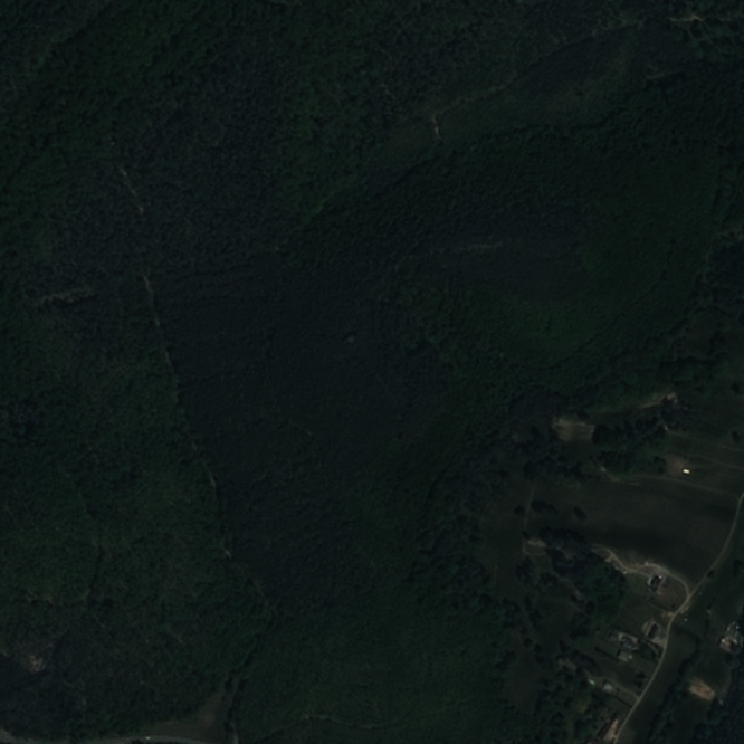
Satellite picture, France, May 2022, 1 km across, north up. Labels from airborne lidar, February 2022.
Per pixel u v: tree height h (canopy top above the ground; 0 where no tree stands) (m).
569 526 0
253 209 23
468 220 23
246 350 17
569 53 16
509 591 0
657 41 20
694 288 15
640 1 16
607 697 10
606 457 14
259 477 20
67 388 0
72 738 29
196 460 31
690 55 18
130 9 28
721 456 0
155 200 27
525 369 23
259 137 22
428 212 26
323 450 18
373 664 0
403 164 16
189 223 28
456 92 9
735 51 31
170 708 21
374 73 29
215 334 20
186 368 22
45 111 31
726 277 15
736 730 24
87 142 29
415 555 19
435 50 30
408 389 31
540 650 18
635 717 0
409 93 30
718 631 0
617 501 0
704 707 0
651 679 0
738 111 29
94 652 20
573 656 24
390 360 33
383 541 0
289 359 18
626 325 0
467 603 22
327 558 19
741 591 0
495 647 13
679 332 20
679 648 0
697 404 0
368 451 18
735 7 29
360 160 29
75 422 0
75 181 32
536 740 17
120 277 27
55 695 16
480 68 10
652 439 19
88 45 32
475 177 22
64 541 0
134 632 19
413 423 26
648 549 0
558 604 0
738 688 18
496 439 28
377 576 17
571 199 27
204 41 29
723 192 21
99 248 33
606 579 26
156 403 0
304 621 0
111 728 26
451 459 26
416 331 34
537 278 20
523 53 12
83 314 26
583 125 13
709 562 0
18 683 12
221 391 19
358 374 19
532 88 17
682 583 0
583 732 20
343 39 29
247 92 28
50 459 26
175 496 0
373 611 0
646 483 0
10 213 32
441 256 25
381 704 0
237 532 20
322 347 16
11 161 32
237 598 27
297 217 31
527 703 0
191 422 22
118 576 0
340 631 0
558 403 31
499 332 19
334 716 0
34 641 20
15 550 0
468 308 25
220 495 18
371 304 31
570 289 21
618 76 14
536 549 0
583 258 19
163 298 23
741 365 0
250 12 27
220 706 0
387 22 34
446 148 16
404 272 22
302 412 17
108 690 21
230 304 24
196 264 20
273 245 23
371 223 24
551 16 10
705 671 0
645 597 0
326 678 0
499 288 26
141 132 29
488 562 0
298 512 18
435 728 8
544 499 0
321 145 32
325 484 16
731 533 0
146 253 28
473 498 25
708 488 0
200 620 27
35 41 15
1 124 30
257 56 29
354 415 17
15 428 28
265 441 19
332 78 29
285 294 19
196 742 0
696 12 11
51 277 31
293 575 19
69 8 20
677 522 0
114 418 0
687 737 0
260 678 0
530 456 29
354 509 0
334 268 22
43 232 22
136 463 0
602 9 12
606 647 0
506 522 0
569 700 11
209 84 29
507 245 14
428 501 30
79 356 24
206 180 27
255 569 22
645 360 28
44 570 0
